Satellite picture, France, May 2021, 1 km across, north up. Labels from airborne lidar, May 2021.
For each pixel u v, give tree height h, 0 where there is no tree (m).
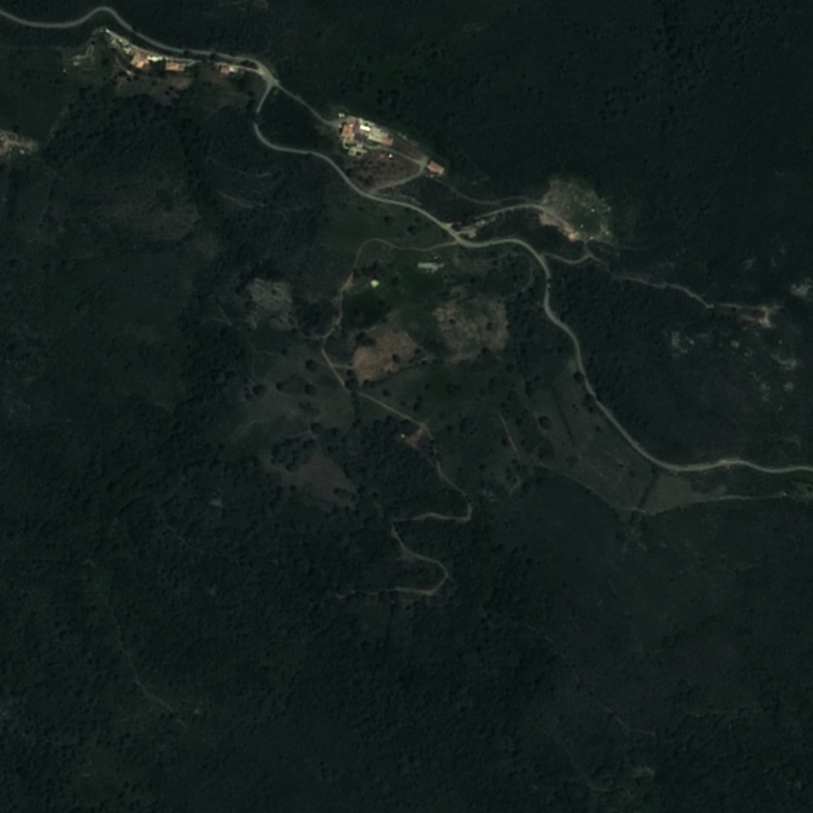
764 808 10
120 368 0
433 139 6
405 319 0
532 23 6
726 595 0
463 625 15
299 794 6
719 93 6
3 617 9
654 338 11
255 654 7
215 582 13
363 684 15
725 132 5
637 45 5
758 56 6
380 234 0
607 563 0
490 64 6
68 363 8
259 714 6
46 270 16
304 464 0
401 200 0
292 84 6
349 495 18
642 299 5
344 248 0
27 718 10
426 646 9
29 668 8
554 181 0
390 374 7
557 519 0
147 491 10
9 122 0
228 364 7
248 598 15
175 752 8
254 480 7
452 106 7
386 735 16
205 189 18
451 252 0
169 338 0
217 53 11
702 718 9
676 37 18
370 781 8
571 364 0
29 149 0
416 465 12
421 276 0
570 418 0
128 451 10
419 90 9
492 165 6
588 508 0
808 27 6
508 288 6
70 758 15
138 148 6
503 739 17
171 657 10
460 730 6
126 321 0
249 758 8
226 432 0
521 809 10
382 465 16
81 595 12
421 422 0
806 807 15
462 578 12
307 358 0
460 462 0
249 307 11
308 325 7
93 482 20
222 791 8
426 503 8
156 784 10
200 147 16
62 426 6
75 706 9
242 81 10
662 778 19
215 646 13
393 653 13
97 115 13
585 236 0
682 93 6
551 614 6
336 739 7
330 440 0
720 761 10
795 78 5
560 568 0
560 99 7
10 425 6
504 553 13
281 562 14
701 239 6
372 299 0
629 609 0
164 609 7
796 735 7
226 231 13
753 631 7
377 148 0
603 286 9
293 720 10
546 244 6
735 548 0
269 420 0
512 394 8
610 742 9
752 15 13
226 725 6
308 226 5
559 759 8
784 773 11
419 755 9
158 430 10
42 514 5
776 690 7
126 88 0
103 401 6
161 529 12
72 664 12
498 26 6
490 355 12
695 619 0
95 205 6
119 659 7
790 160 7
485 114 7
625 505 0
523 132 5
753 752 12
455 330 0
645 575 0
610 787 11
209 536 7
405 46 5
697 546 0
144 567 10
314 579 22
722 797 7
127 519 11
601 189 10
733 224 6
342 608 13
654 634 0
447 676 11
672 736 13
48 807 14
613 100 13
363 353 0
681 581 0
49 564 6
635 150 7
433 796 8
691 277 5
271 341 0
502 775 15
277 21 7
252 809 9
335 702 8
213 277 7
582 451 0
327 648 12
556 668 8
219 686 5
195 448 8
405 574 9
